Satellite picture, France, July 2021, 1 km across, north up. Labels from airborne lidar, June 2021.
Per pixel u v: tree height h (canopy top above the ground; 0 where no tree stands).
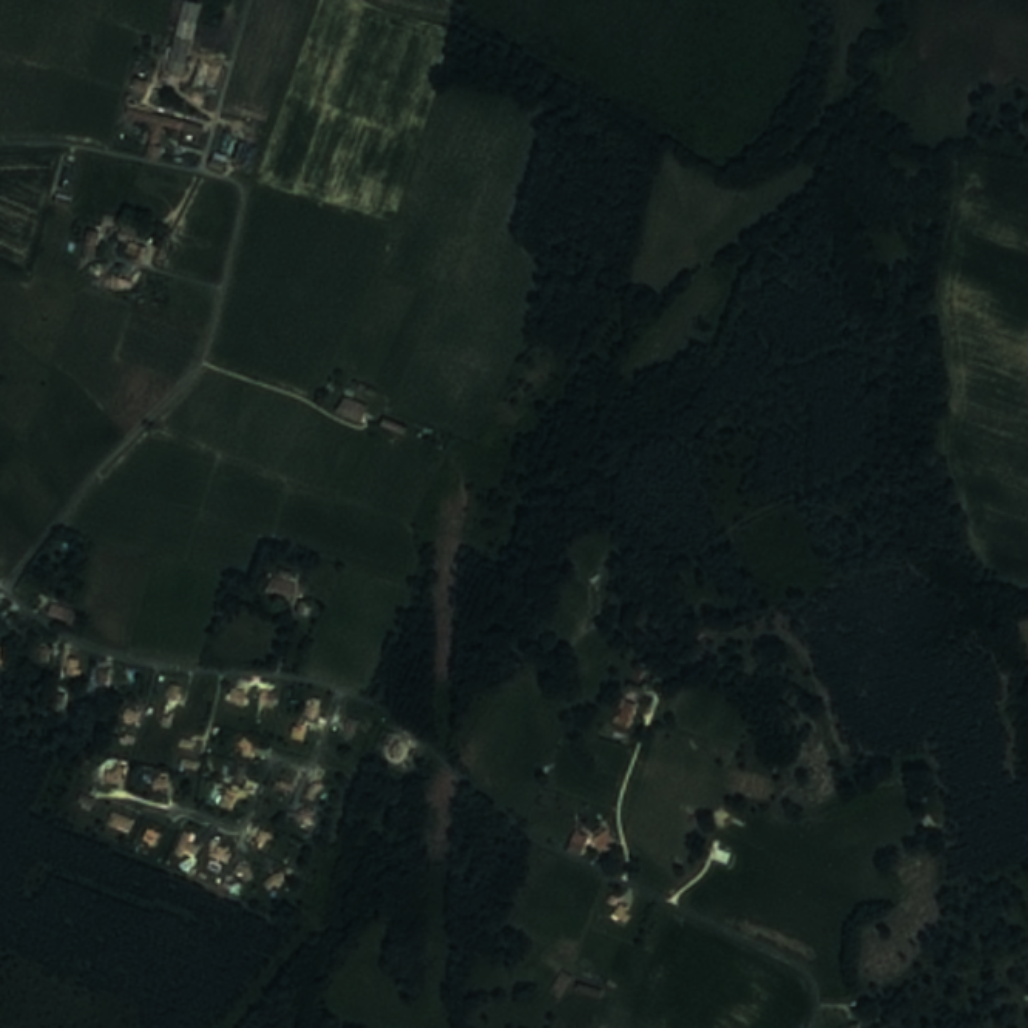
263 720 0
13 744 11
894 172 23
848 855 0
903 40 12
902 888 0
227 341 0
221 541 0
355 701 0
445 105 0
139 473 0
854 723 10
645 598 23
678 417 16
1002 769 9
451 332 0
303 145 0
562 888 0
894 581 9
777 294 13
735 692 16
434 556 12
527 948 16
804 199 13
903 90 0
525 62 18
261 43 0
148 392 0
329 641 0
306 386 0
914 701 10
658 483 24
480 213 0
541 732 0
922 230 20
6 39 0
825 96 10
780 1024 0
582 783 0
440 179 0
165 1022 11
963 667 11
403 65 0
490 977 0
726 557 19
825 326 14
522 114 0
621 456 21
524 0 0
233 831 0
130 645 0
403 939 18
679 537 21
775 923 0
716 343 15
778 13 0
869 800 0
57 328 0
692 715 0
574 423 24
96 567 0
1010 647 8
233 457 0
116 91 0
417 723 28
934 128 0
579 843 0
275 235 0
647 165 18
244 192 0
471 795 17
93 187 0
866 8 0
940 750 9
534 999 15
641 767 0
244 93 0
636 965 0
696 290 0
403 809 23
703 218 0
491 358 0
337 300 0
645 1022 0
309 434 0
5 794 10
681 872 11
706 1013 0
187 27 0
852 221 16
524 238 19
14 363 0
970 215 0
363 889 17
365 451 0
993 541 0
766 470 18
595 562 0
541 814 0
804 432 9
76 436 0
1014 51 0
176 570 0
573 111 15
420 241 0
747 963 0
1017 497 0
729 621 22
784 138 20
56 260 0
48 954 10
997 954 7
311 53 0
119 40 0
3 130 0
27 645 9
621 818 0
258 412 0
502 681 26
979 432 0
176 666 0
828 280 15
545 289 20
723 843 0
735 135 0
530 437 11
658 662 16
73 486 0
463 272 0
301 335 0
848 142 29
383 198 0
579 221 21
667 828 0
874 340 20
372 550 0
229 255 0
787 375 11
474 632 20
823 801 0
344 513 0
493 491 11
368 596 0
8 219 0
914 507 21
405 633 11
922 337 16
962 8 0
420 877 22
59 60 0
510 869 20
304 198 0
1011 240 0
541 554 28
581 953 0
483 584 33
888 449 13
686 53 0
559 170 25
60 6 0
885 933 19
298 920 9
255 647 0
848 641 9
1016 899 17
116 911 10
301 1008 15
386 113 0
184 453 0
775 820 0
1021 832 10
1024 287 0
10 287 0
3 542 0
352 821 17
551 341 7
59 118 0
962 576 9
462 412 0
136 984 8
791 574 0
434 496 0
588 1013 0
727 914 0
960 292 0
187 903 7
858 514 7
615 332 14
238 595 8
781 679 13
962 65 0
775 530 0
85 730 27
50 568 14
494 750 0
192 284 0
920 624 10
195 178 0
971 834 10
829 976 0
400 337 0
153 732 0
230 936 8
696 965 0
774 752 15
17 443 0
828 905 0
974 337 0
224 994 11
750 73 0
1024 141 13
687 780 0
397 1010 0
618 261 16
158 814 0
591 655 0
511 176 0
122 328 0
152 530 0
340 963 21
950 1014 16
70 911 11
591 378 15
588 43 0
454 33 16
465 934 17
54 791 7
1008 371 0
